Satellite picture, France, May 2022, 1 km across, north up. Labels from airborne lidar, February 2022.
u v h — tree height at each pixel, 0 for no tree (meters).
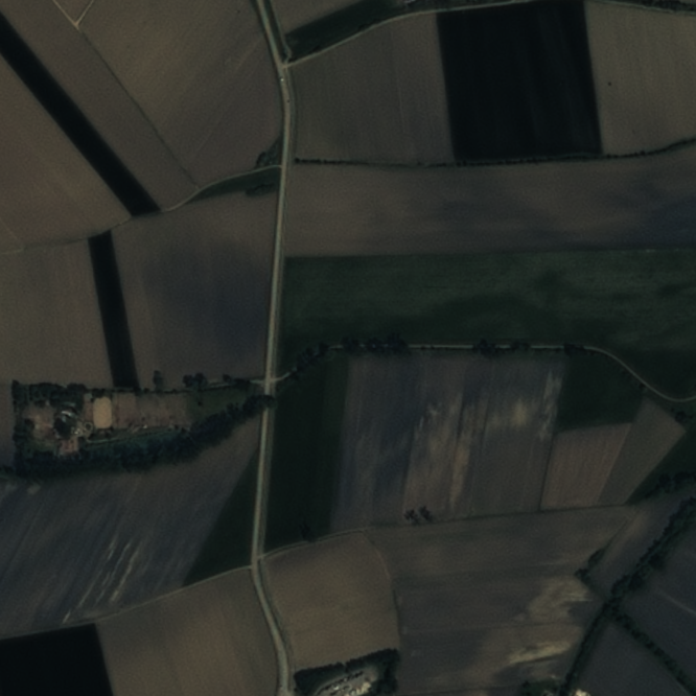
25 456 12
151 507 0
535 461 0
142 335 0
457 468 0
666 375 0
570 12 0
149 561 0
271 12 0
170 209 0
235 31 0
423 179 0
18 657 0
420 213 0
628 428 0
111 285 0
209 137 0
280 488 0
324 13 0
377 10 0
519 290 0
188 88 0
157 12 0
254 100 0
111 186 0
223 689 0
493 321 0
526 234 0
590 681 0
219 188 0
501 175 0
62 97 0
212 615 0
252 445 0
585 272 0
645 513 0
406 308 0
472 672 0
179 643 0
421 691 0
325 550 0
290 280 0
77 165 0
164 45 0
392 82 0
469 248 0
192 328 0
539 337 0
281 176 0
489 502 0
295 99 0
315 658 0
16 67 0
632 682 0
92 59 0
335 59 0
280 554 0
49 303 0
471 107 0
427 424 0
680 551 0
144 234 0
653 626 0
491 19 0
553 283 0
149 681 0
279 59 0
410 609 0
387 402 0
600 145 0
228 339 0
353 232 0
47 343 0
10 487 0
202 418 0
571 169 0
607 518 0
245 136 0
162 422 0
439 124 0
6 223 0
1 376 0
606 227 0
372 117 0
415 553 0
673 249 0
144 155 0
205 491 0
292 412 0
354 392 0
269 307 0
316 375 0
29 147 0
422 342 0
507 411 0
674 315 0
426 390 0
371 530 0
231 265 0
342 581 0
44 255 0
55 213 0
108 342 0
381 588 0
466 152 0
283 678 0
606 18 0
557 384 0
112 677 0
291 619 0
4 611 0
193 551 0
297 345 0
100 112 0
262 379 0
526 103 0
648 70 0
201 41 0
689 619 0
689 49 0
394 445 0
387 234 0
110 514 0
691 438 0
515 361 0
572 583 0
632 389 0
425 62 0
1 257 0
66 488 0
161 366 0
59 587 0
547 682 0
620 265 0
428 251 0
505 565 0
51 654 0
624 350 0
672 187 0
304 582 0
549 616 0
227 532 0
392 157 0
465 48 0
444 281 0
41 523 0
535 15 0
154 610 0
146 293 0
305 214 0
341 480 0
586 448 0
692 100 0
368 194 0
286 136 0
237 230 0
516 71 0
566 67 0
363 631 0
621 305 0
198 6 0
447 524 0
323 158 0
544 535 0
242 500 0
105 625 0
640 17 0
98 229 0
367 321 0
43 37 0
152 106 0
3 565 0
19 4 0
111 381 0
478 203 0
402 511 0
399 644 0
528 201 0
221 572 0
